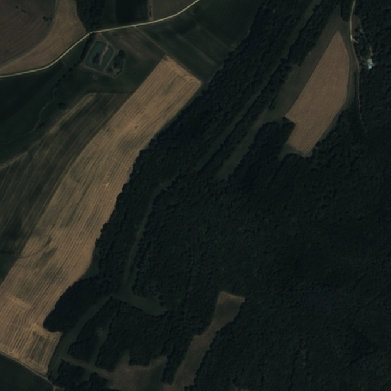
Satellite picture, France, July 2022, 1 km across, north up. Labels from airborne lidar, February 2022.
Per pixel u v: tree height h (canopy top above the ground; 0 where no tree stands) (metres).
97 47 0
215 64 0
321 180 20
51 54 0
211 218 13
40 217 0
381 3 22
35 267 0
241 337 13
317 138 0
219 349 16
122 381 0
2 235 0
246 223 14
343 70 0
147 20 0
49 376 6
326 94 0
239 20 0
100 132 0
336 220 19
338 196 20
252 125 12
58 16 0
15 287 0
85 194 0
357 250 18
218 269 17
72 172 0
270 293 19
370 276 17
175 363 16
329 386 18
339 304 21
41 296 0
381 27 22
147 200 18
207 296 17
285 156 0
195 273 17
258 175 18
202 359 0
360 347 8
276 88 8
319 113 0
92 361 0
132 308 11
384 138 11
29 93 0
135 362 14
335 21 0
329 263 7
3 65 0
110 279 25
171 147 28
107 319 7
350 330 19
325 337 21
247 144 0
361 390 18
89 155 0
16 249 0
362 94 9
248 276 20
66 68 0
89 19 7
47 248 0
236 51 8
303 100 0
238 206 12
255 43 21
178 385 0
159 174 18
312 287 13
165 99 0
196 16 0
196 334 9
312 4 0
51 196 0
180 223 17
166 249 22
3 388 0
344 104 0
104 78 0
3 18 0
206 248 17
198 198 20
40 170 0
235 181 17
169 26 0
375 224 19
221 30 0
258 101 9
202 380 18
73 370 16
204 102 22
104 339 0
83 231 0
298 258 13
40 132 0
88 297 20
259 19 14
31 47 0
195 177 17
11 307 0
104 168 0
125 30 0
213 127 11
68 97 0
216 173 10
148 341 10
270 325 19
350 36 0
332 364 17
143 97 0
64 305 20
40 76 0
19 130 0
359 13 17
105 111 0
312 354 19
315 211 21
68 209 0
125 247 13
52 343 0
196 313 14
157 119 0
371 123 17
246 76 21
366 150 11
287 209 23
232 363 16
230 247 15
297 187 25
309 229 11
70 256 0
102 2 18
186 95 0
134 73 0
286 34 17
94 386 17
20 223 0
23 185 0
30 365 0
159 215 17
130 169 0
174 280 21
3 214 0
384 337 24
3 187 0
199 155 10
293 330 17
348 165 16
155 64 0
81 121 0
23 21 0
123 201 17
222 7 0
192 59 0
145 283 20
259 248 17
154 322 13
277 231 17
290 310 19
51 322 22
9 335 0
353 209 20
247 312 15
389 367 18
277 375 18
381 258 17
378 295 12
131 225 18
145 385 0
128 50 0
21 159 0
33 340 0
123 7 0
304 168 22
